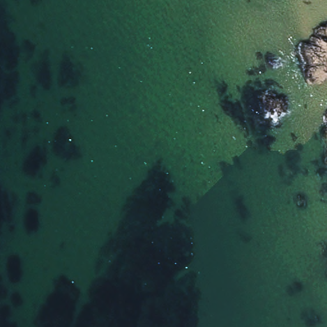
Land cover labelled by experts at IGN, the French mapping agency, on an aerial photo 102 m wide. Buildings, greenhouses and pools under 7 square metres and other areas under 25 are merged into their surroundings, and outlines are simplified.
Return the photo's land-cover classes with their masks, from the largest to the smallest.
<instances>
[{"label":"water","instance_id":"1","mask_svg":"<svg viewBox=\"0 0 327 327\"><path fill-rule=\"evenodd\" d=\"M317 24L327 28V0H0V327H327V79L323 83L308 84L307 79L299 72L294 50L295 42L307 40Z\"/></svg>","mask_w":327,"mask_h":327},{"label":"bare soil","instance_id":"2","mask_svg":"<svg viewBox=\"0 0 327 327\"><path fill-rule=\"evenodd\" d=\"M299 72L307 79L308 84L323 83L327 79V28L317 24L307 40L295 42L294 50Z\"/></svg>","mask_w":327,"mask_h":327}]
</instances>
